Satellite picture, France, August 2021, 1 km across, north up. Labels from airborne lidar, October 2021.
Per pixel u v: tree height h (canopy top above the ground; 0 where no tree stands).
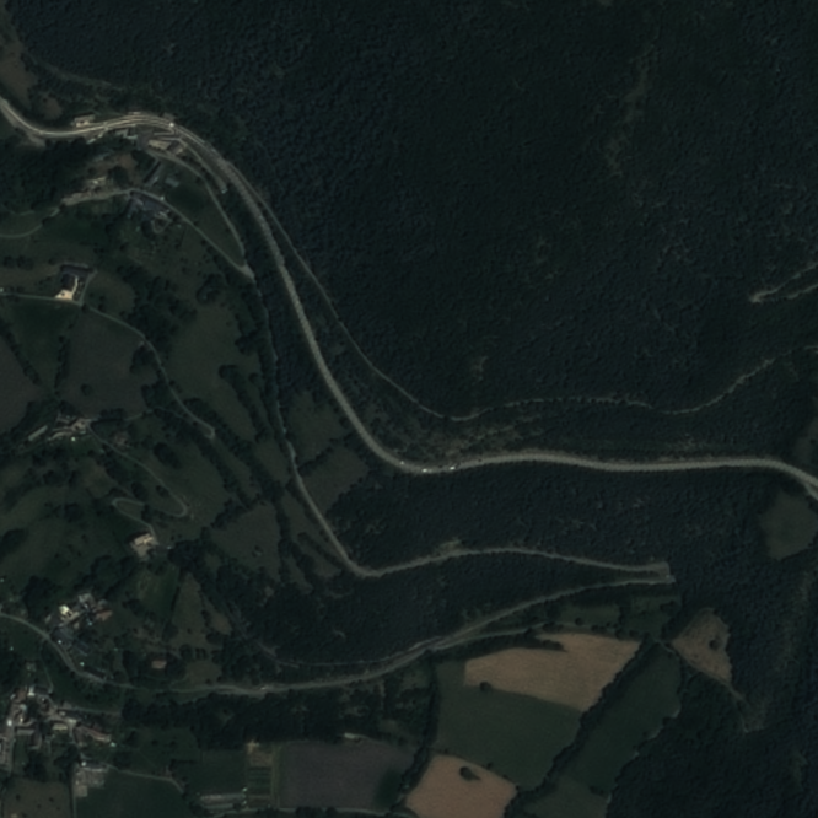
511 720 0
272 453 0
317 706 10
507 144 9
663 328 14
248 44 14
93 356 0
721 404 8
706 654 0
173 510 0
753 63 11
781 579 12
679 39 10
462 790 0
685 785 20
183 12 9
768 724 7
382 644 11
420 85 11
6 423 0
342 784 0
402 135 14
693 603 14
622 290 13
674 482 14
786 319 12
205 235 0
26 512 0
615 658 0
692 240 14
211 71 13
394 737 8
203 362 0
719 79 11
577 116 11
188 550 14
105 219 9
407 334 13
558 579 16
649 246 14
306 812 11
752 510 15
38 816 0
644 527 15
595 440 10
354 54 18
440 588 12
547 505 15
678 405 13
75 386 0
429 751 7
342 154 17
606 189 7
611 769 0
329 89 14
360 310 11
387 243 13
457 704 0
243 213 10
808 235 12
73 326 7
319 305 8
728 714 7
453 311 9
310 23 10
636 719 0
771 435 13
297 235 12
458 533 14
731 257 14
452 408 9
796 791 6
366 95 20
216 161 0
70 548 7
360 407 7
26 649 0
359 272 11
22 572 0
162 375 11
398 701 6
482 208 11
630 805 22
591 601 16
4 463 13
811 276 10
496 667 0
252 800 0
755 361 9
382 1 11
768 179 9
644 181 9
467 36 9
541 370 12
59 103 6
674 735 13
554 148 12
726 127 12
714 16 11
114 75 10
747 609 18
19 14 12
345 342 8
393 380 7
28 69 8
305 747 0
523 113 11
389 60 13
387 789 0
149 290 13
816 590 12
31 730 0
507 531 10
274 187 12
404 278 10
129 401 0
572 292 13
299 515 0
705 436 10
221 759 0
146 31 16
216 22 12
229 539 0
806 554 9
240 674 8
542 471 16
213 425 11
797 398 13
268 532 0
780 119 10
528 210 9
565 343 14
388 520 8
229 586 8
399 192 18
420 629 11
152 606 0
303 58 13
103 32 12
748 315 13
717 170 10
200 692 0
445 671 0
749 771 18
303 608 11
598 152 7
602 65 12
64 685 0
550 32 11
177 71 11
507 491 13
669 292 13
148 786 0
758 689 16
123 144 9
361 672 9
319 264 15
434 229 11
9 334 8
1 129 0
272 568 0
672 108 12
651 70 7
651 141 11
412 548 11
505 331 9
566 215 12
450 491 12
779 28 13
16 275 0
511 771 0
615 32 12
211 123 6
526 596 14
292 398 14
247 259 11
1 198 15
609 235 10
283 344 11
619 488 15
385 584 13
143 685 17
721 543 15
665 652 6
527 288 9
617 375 13
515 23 10
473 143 10
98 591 12
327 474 0
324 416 0
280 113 7
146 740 0
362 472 0
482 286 8
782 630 10
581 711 0
